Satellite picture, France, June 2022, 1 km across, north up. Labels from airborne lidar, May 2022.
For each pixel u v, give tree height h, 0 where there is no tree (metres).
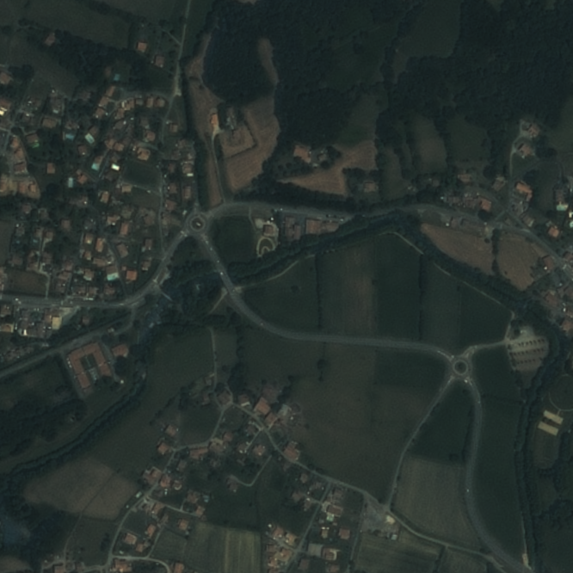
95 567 0
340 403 0
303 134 21
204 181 18
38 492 0
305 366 0
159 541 0
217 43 21
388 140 19
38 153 0
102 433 23
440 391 0
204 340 0
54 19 0
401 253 0
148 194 0
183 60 11
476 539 0
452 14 0
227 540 0
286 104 18
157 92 0
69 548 0
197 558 0
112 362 0
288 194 19
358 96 12
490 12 26
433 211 0
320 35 10
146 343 19
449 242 0
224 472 6
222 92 21
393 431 0
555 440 0
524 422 13
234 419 0
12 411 7
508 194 0
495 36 28
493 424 0
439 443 0
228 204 0
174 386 0
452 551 0
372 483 0
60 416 13
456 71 17
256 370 0
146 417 0
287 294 0
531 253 0
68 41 19
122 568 0
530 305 13
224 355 0
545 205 0
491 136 19
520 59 21
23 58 0
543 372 10
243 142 0
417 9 15
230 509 0
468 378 0
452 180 10
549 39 22
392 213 10
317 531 0
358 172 16
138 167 0
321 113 15
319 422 0
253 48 26
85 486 0
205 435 0
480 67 9
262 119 0
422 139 0
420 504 0
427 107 15
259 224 0
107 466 0
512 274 0
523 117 14
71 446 9
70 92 0
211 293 12
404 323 0
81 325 7
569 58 21
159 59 0
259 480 0
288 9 24
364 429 0
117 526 0
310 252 10
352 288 0
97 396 0
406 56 0
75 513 0
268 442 0
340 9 19
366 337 0
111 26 0
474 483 0
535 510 23
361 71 0
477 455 0
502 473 0
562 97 21
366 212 12
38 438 0
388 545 0
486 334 0
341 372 0
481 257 0
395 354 0
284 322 0
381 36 0
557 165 0
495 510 0
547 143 18
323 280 6
